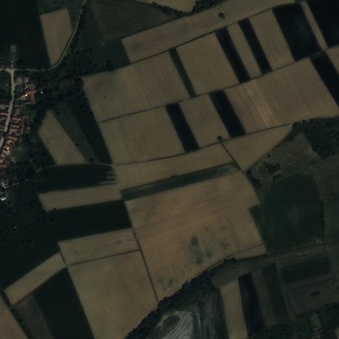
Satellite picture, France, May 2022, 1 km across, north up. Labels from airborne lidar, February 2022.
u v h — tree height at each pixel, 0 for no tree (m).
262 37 0
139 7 0
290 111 0
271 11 0
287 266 0
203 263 0
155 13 0
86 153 0
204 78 0
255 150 0
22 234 0
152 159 0
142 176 0
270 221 0
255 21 0
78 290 0
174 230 0
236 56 0
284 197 0
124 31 0
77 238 0
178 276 0
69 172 0
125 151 0
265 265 0
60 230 0
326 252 0
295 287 0
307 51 0
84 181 0
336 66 0
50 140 0
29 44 0
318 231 0
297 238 0
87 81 0
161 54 0
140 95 0
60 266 0
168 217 0
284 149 0
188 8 0
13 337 0
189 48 0
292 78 0
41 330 0
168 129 0
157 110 0
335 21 0
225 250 0
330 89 0
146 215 0
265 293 0
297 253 0
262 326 0
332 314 6
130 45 0
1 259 0
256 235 0
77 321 0
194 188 0
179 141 0
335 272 0
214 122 0
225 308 0
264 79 0
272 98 0
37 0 0
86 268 0
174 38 0
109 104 0
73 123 0
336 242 0
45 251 0
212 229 0
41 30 0
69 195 0
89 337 0
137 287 0
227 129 0
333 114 0
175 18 0
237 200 0
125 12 0
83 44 0
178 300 19
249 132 0
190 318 0
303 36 0
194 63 0
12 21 0
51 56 0
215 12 0
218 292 0
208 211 0
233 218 0
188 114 0
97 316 0
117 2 0
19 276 0
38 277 0
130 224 0
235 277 0
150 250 0
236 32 0
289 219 0
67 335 0
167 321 0
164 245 0
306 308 0
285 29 0
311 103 0
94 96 0
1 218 0
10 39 0
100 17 0
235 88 0
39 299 0
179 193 0
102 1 0
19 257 0
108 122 0
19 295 0
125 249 0
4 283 0
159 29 0
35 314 0
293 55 0
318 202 0
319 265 0
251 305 0
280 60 0
